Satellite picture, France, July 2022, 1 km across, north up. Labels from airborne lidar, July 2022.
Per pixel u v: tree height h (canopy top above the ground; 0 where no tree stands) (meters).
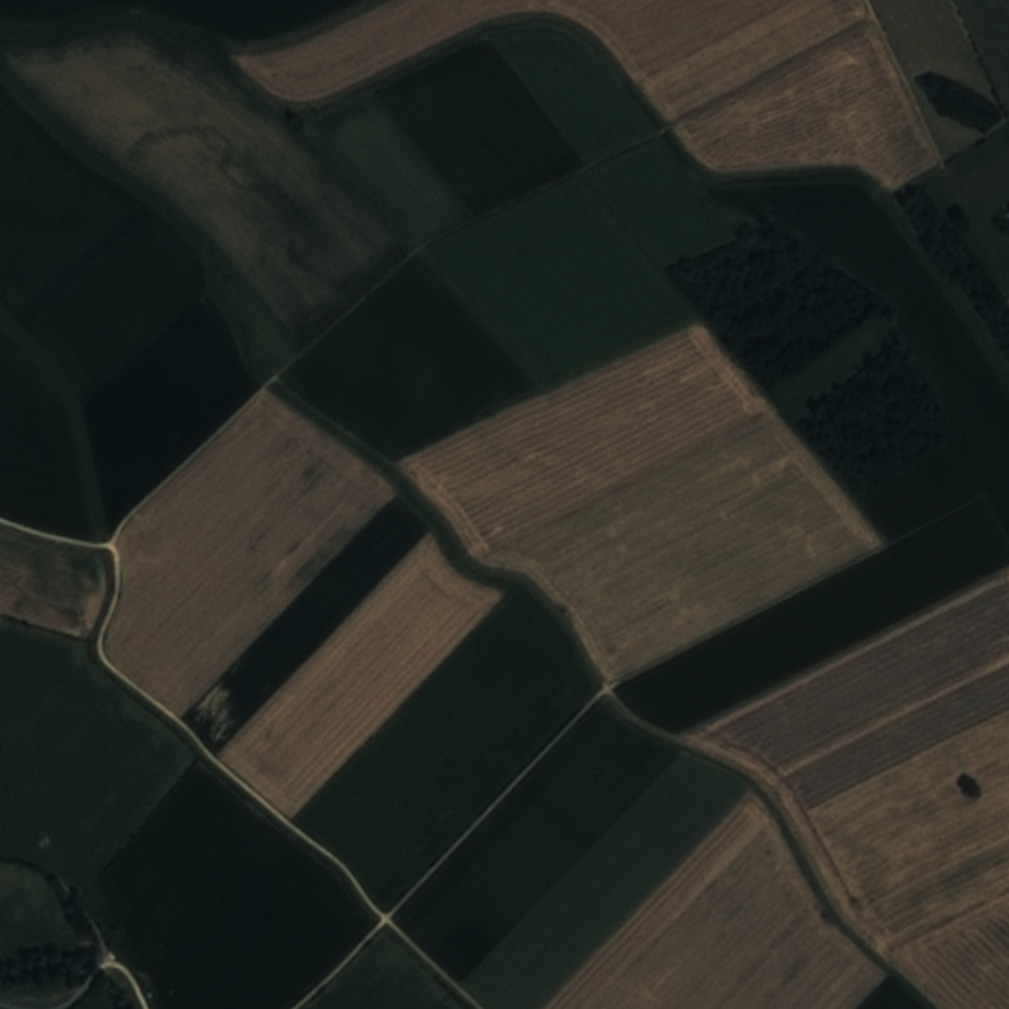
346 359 0
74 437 0
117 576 0
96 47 0
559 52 0
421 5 0
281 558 0
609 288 0
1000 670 0
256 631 0
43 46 0
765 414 0
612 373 0
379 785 0
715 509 0
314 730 0
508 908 0
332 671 0
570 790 0
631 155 0
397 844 0
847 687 0
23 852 0
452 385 0
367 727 0
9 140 0
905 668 0
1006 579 0
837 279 18
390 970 0
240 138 0
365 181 0
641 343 0
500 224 0
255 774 0
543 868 0
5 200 0
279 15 0
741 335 14
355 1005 0
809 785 0
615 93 0
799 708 0
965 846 0
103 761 0
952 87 10
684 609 0
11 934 0
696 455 0
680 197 0
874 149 0
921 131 0
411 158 0
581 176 0
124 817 0
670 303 0
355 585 0
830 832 0
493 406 0
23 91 0
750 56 0
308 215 0
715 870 0
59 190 0
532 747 0
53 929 0
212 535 0
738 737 0
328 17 0
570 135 0
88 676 0
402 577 0
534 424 0
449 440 0
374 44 0
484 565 0
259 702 0
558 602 0
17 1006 0
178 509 0
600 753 0
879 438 22
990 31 0
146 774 0
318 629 0
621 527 0
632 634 0
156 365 0
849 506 0
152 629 0
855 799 0
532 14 0
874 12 0
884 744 0
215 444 0
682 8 0
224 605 0
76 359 0
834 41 0
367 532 0
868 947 0
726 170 0
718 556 0
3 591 0
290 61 0
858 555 0
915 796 0
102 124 0
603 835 0
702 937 0
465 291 0
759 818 0
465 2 0
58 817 0
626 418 0
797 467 0
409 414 0
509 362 0
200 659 0
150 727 0
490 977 0
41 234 0
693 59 0
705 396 0
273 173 0
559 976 0
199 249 0
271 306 0
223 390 0
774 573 0
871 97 0
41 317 0
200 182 0
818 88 0
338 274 0
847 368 0
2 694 0
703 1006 0
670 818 0
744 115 0
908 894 0
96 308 0
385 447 0
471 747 0
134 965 0
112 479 0
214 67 0
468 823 0
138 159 0
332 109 0
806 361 13
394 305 0
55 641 0
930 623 0
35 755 0
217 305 0
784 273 26
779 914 0
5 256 0
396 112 0
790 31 0
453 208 0
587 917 0
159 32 0
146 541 0
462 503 0
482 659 0
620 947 0
